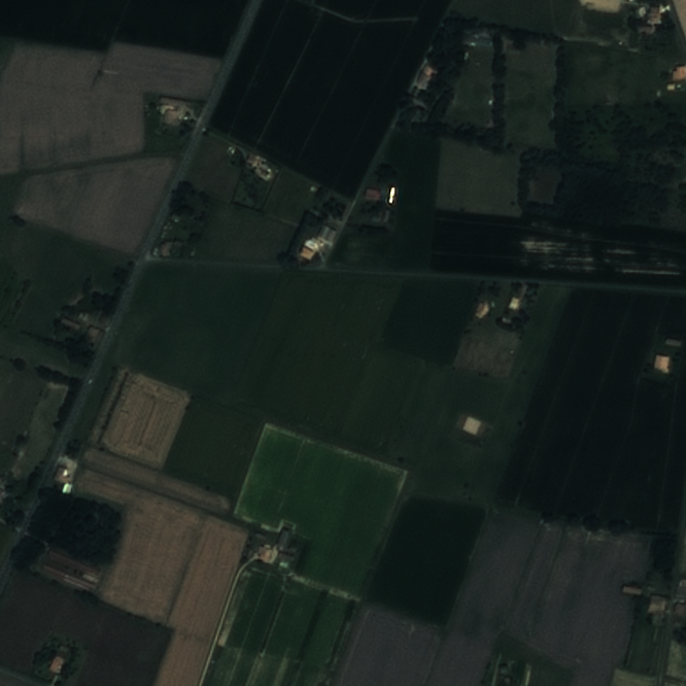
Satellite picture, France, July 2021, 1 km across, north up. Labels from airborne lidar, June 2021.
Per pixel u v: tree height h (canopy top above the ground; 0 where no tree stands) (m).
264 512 0
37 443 0
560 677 0
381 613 0
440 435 0
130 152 0
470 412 0
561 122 14
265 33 0
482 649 0
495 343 0
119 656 0
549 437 0
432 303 0
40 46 0
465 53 12
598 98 0
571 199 18
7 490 8
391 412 0
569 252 0
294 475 0
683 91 0
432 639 0
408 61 0
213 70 0
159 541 0
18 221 11
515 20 0
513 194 0
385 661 0
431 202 0
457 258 0
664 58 0
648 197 11
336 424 0
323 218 8
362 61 0
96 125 0
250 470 0
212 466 0
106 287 0
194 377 0
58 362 0
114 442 0
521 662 0
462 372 0
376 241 0
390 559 0
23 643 0
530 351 0
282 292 0
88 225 0
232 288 0
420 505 0
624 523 15
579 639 0
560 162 18
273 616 0
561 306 0
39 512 10
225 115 0
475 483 0
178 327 0
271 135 0
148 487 0
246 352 0
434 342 0
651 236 0
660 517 0
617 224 16
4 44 0
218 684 0
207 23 0
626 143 8
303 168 0
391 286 0
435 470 0
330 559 0
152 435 0
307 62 0
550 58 0
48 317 0
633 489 0
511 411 0
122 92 0
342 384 0
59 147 0
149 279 0
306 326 0
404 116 10
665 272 0
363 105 0
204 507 0
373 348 0
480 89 0
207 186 0
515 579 0
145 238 0
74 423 0
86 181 0
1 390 0
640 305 0
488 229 0
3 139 0
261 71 0
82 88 0
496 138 14
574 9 0
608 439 0
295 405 0
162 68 0
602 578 0
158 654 0
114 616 0
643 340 0
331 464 0
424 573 0
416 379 0
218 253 0
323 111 0
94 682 0
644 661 0
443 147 0
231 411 0
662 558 15
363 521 0
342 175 0
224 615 0
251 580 0
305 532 0
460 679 0
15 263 0
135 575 0
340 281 0
